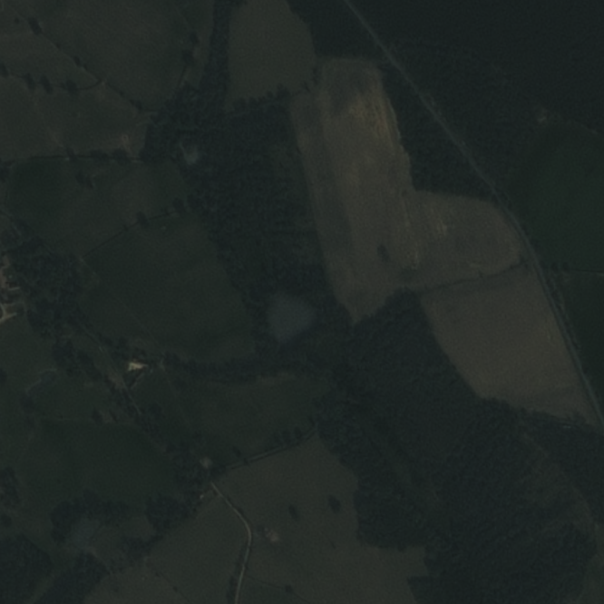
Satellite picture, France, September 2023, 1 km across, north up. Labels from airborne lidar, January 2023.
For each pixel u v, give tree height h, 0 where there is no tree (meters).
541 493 0
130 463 0
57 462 0
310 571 0
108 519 21
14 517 0
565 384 0
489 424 15
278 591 0
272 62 0
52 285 26
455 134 18
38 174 0
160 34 0
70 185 0
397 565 0
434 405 11
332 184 0
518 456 13
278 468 0
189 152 9
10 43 0
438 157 11
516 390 0
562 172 0
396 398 13
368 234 0
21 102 0
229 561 0
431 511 0
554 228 0
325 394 0
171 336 0
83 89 0
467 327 0
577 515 0
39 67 0
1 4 0
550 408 0
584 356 0
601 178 0
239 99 0
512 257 0
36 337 0
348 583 0
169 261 0
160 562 0
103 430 0
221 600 0
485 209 0
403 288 0
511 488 0
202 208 10
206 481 17
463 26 10
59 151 0
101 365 0
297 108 0
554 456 19
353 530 0
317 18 12
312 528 0
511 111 18
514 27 15
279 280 20
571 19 12
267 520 0
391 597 0
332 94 0
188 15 0
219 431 0
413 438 11
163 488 0
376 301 0
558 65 13
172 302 0
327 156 0
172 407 0
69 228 0
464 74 22
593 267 0
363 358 13
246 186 15
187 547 0
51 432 0
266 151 0
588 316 0
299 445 0
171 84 0
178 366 19
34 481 0
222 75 19
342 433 18
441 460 8
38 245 21
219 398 0
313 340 28
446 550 13
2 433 0
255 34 0
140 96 0
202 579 0
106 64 0
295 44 0
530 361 0
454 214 0
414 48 16
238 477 0
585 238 0
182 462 21
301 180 0
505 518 15
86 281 0
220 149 15
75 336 0
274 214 8
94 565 17
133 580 0
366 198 0
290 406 0
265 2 0
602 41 13
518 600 23
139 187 0
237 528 0
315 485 0
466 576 13
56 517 11
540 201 0
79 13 0
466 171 15
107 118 0
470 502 12
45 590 0
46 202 0
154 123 15
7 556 19
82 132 0
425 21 13
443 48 19
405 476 0
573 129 0
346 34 13
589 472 20
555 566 20
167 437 0
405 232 0
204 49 0
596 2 12
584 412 0
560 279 0
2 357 0
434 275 0
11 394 0
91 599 0
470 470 11
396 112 16
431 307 0
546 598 14
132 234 0
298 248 8
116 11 0
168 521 18
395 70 11
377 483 15
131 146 0
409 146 19
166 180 0
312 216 0
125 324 0
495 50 13
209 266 0
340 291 0
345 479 0
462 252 0
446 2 12
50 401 0
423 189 10
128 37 0
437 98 20
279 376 0
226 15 12
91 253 0
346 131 0
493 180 18
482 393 0
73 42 0
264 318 13
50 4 0
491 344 0
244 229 11
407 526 15
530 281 0
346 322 19
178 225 0
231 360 0
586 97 14
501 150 25
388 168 0
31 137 0
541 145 0
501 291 0
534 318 0
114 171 0
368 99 0
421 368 6
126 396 15
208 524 0
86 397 0
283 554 0
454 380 9
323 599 0
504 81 14
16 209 0
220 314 0
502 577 12
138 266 0
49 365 0
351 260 0
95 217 0
